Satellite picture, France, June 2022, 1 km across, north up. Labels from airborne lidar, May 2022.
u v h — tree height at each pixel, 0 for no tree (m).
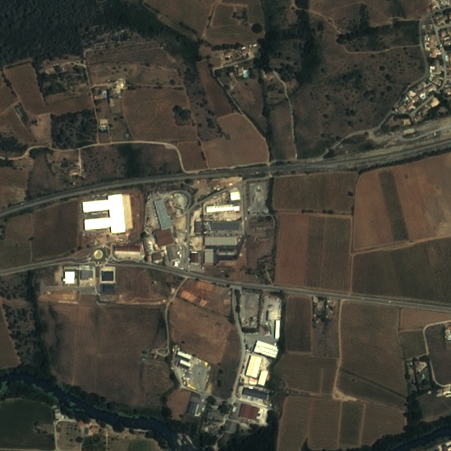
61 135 18
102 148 0
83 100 0
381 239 0
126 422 0
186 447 0
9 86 9
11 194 0
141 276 0
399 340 0
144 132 0
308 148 0
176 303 0
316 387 0
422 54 0
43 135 0
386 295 0
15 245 0
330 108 0
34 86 0
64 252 0
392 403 0
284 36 10
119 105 0
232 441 11
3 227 11
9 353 0
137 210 0
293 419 0
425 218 0
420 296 0
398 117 8
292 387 0
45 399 7
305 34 13
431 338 0
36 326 12
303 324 0
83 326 0
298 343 0
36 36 7
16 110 0
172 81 12
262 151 0
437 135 0
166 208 0
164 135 0
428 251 0
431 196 0
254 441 21
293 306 0
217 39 0
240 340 0
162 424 0
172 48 0
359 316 0
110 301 0
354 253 0
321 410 0
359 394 0
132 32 8
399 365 0
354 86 6
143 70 0
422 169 0
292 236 0
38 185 0
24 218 0
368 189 0
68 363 0
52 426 0
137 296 0
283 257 0
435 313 0
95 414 0
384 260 0
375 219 0
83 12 13
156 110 0
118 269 0
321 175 0
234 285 0
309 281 0
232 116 0
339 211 0
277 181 0
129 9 6
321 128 0
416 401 8
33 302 6
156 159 0
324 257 0
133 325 0
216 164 0
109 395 0
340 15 0
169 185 0
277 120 0
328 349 0
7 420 0
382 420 0
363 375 0
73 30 11
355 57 0
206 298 0
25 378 0
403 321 0
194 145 0
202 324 0
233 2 0
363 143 0
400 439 15
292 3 0
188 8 0
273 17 11
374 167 12
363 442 0
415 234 0
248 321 0
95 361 0
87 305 0
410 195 0
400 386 0
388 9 0
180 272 0
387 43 0
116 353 0
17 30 15
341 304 0
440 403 0
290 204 0
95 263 0
